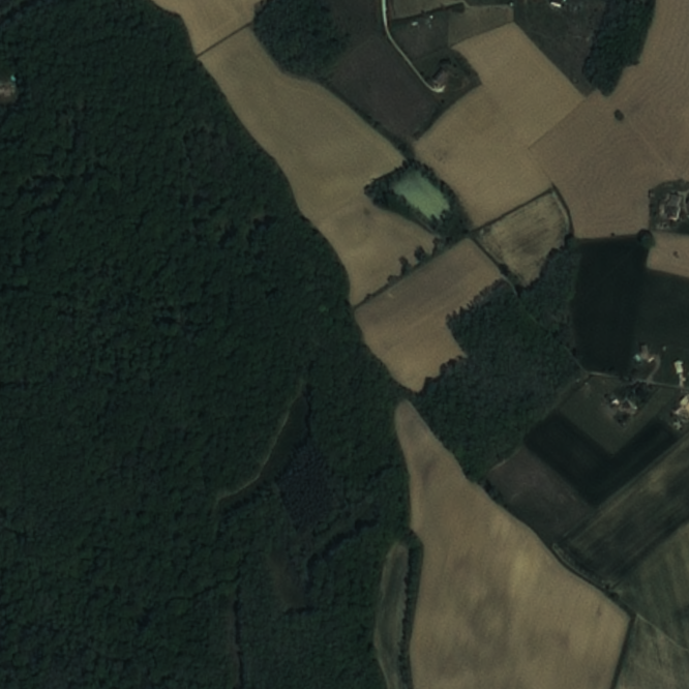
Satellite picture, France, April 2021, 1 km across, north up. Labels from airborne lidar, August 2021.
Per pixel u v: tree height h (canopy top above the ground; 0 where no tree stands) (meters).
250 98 0
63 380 17
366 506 11
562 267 15
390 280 10
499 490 13
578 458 0
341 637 19
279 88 0
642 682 0
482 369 21
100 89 21
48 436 22
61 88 24
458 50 0
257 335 23
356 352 21
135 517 16
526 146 0
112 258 17
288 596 0
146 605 19
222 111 17
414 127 0
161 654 28
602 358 0
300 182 0
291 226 21
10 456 22
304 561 20
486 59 0
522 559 0
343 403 23
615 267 0
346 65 0
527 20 0
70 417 22
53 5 19
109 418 22
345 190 0
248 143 15
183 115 21
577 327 0
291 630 18
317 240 19
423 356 0
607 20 14
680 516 0
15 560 20
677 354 0
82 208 19
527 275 0
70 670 16
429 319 0
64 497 20
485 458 24
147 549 17
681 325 0
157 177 17
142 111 23
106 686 25
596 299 0
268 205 17
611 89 14
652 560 0
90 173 17
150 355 14
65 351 10
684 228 0
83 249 18
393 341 0
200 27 0
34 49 21
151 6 15
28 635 24
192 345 22
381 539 20
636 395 8
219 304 28
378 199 11
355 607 24
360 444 16
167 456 20
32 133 22
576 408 0
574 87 0
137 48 25
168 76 22
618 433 0
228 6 0
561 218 0
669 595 0
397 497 24
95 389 19
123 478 14
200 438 20
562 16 0
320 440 18
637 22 19
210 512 20
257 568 20
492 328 18
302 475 21
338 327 29
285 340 20
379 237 0
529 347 13
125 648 25
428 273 0
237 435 20
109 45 24
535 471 0
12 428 22
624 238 0
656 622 0
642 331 0
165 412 20
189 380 21
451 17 0
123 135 19
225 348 24
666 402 0
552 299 16
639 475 0
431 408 19
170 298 15
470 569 0
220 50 0
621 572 0
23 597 16
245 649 20
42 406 20
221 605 23
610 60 15
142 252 20
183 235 17
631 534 0
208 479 19
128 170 20
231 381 24
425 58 0
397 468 21
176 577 16
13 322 19
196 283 23
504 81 0
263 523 15
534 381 18
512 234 0
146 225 25
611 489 0
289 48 21
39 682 24
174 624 26
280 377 20
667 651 0
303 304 22
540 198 0
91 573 15
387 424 22
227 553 23
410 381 0
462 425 20
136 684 20
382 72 0
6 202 23
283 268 24
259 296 22
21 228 20
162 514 14
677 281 0
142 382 17
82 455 18
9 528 18
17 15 16
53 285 19
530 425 14
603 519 0
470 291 0
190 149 20
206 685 15
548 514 0
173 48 24
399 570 0
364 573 26
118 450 12
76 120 20
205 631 16
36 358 21
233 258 21
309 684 23
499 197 0
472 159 0
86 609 19
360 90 0
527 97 0
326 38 19
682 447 0
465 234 8
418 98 0
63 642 20
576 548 0
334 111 0
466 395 23
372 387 20
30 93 20
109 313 22
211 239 24
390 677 0
